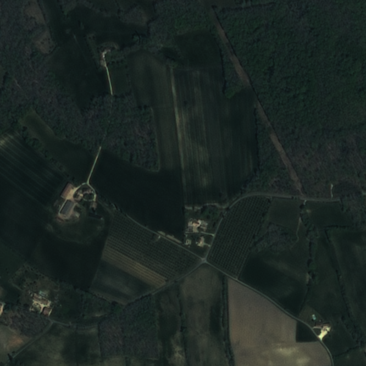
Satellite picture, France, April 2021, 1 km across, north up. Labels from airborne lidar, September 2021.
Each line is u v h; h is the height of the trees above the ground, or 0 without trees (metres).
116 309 23
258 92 21
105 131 22
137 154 18
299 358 0
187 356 9
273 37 29
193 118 0
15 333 0
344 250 0
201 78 0
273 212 0
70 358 0
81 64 0
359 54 18
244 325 0
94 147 19
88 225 0
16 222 0
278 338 0
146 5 0
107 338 14
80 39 0
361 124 13
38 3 11
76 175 0
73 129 16
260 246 16
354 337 11
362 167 15
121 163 0
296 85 30
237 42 23
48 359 0
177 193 0
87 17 0
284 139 15
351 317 15
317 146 16
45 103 15
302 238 0
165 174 0
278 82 26
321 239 0
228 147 0
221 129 0
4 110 17
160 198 0
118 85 0
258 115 17
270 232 13
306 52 20
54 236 0
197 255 0
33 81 14
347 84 24
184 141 0
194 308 0
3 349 0
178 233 0
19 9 21
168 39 19
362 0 19
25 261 6
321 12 23
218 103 0
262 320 0
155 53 19
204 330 0
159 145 0
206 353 0
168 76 0
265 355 0
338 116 16
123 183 0
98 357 0
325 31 27
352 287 0
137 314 15
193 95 0
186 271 0
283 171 14
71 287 15
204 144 0
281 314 0
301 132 21
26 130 13
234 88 27
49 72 18
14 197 0
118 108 18
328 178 18
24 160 0
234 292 0
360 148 20
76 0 6
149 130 14
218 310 0
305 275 0
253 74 23
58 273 0
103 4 0
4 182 0
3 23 17
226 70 20
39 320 18
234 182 0
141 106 0
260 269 0
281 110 25
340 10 23
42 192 0
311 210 0
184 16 21
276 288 0
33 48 20
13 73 20
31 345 0
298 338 0
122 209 0
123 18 16
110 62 5
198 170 0
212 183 0
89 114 15
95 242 0
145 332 15
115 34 0
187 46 0
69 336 0
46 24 7
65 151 0
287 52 23
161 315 0
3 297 0
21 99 18
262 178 17
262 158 16
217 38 16
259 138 14
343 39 16
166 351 0
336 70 24
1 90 7
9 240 0
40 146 14
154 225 0
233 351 8
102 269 0
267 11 21
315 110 21
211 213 17
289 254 0
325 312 0
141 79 0
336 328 0
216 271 0
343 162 19
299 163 17
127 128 21
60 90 16
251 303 0
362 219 16
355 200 19
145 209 0
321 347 0
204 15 20
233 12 20
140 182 0
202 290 0
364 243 0
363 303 0
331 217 0
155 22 16
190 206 0
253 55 28
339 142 19
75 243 0
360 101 17
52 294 0
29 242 0
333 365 0
